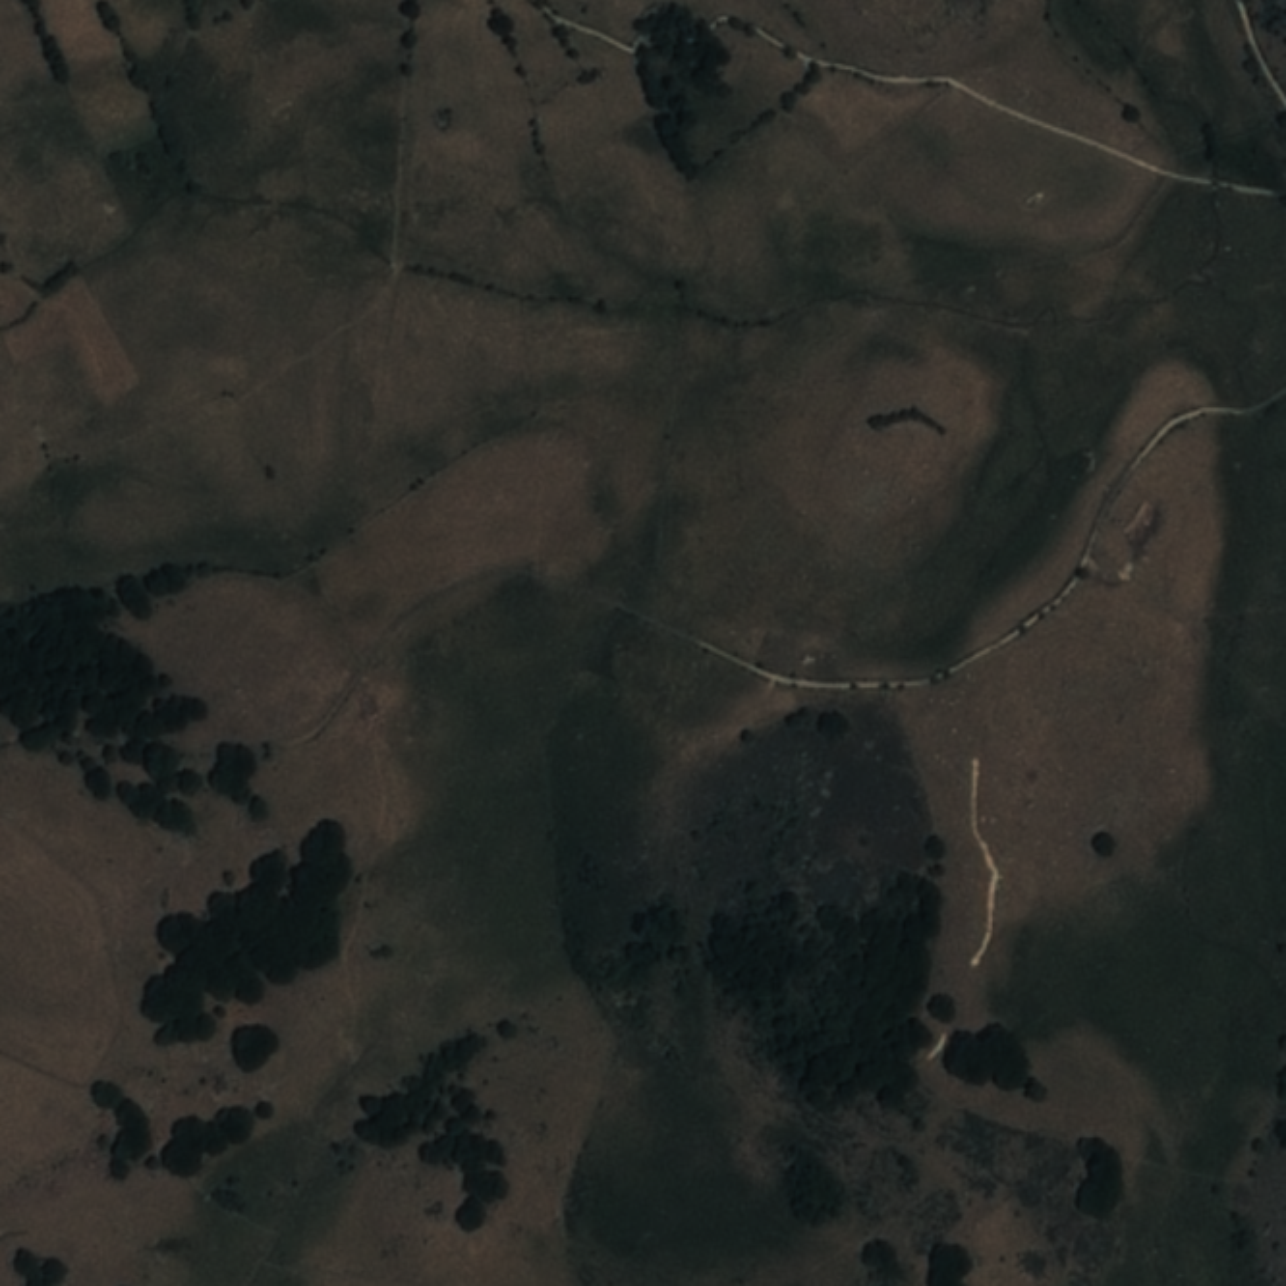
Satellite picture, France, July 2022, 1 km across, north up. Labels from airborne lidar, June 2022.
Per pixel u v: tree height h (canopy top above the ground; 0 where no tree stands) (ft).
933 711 0
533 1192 0
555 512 0
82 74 0
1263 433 0
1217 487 0
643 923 68
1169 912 0
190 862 0
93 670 48
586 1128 0
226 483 0
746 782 0
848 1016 21
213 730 0
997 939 0
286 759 0
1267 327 0
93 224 0
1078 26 0
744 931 29
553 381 0
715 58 46
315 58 0
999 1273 0
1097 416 0
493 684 0
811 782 0
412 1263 0
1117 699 0
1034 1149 0
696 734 0
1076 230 0
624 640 0
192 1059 0
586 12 28
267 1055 56
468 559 0
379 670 0
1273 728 0
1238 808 0
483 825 0
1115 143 0
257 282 0
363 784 0
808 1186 31
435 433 0
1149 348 0
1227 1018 0
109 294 0
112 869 0
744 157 0
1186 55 0
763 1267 0
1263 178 0
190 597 0
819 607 0
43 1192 0
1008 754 0
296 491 0
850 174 0
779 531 0
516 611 0
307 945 62
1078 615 0
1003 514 0
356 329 0
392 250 0
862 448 0
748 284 0
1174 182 0
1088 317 0
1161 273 0
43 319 0
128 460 0
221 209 0
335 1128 0
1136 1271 0
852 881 0
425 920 0
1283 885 0
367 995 0
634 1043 0
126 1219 0
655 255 0
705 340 0
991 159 0
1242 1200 0
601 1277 0
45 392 0
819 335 0
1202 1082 0
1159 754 0
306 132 0
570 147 0
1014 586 0
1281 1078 26
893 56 0
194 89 0
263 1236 0
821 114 0
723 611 0
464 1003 0
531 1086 0
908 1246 0
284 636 0
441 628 0
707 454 0
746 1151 0
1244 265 0
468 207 0
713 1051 0
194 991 63
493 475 0
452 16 0
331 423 0
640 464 0
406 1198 0
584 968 24
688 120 64
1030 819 0
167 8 0
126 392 0
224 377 0
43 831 0
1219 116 0
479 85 0
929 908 41
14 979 0
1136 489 0
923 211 0
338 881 66
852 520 0
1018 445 0
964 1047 65
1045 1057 0
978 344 0
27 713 46
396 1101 43
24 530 0
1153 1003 0
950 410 0
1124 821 0
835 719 47
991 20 0
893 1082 48
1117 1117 0
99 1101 35
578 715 0
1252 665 0
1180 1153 0
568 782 0
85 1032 0
